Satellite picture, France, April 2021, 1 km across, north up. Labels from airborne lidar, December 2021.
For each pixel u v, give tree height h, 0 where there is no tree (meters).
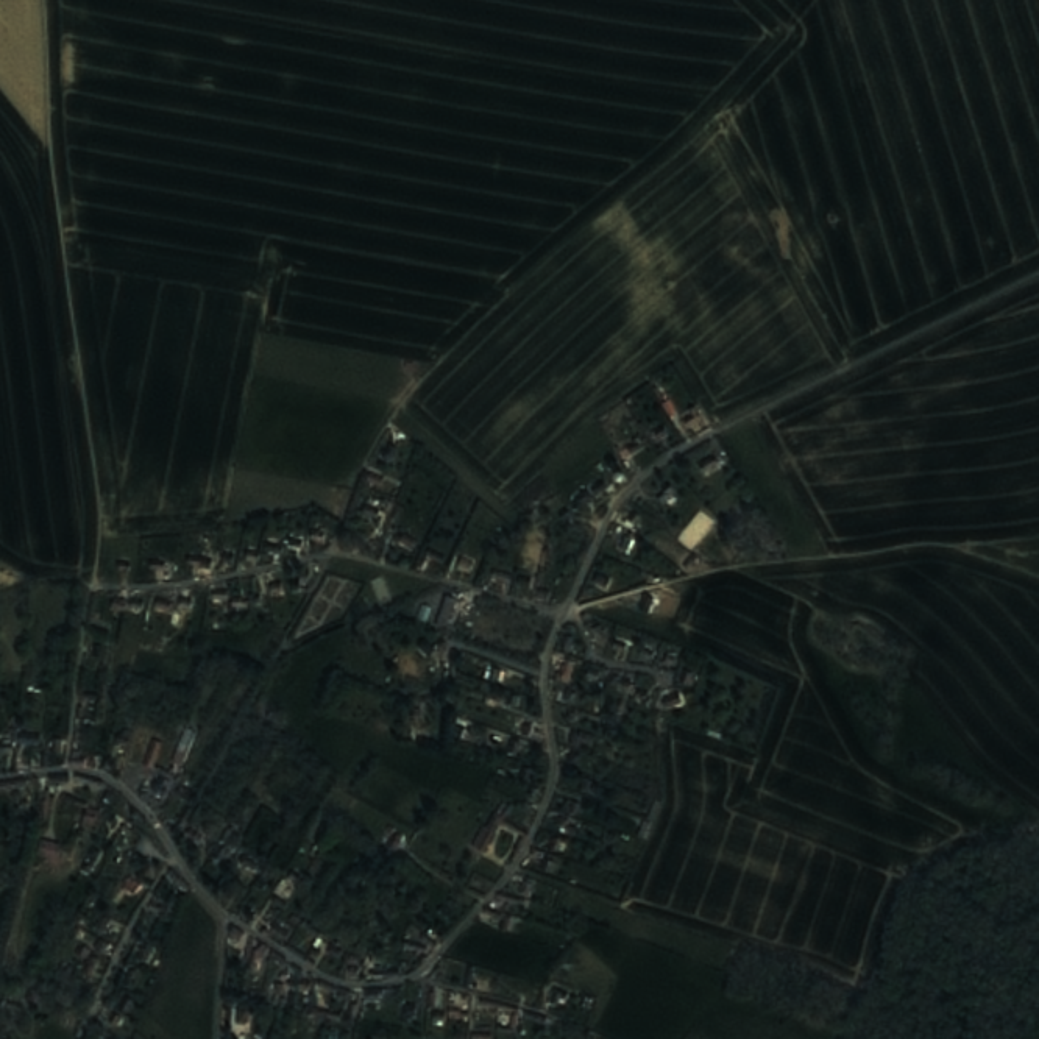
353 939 15
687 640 0
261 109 0
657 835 0
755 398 0
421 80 0
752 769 0
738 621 0
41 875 0
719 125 0
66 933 23
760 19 0
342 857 11
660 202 0
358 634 15
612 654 0
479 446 0
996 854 27
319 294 0
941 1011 20
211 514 0
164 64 0
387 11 0
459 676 6
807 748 0
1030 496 0
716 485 0
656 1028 0
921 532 0
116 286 0
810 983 12
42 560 0
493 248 0
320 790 14
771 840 0
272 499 0
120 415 0
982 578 0
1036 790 0
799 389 0
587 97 0
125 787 0
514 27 0
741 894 0
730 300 0
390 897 22
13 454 0
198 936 0
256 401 0
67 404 0
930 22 0
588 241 0
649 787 8
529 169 0
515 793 0
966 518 0
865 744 0
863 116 0
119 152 0
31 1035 12
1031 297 0
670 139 0
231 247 0
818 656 0
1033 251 0
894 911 19
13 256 0
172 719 11
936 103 0
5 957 21
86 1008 21
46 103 0
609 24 0
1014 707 0
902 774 0
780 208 0
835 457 0
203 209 0
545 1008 0
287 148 0
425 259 0
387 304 0
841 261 0
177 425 0
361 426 0
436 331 0
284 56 0
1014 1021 25
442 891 0
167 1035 0
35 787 9
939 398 0
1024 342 0
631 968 0
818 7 0
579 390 0
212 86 0
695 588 0
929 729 0
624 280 0
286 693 0
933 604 0
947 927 23
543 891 0
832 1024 17
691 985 0
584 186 0
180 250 0
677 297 0
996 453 0
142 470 0
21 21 0
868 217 0
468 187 0
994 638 0
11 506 0
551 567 0
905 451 0
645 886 0
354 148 0
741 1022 0
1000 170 0
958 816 0
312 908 14
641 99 0
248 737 10
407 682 8
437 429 0
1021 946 24
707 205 0
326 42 0
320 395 0
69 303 0
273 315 0
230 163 0
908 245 0
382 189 0
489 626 0
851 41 0
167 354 0
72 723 0
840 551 0
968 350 0
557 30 0
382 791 0
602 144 0
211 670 20
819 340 0
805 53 0
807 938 0
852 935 0
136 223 0
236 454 0
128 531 0
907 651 15
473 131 0
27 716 8
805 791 0
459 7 0
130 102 0
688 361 0
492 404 0
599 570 7
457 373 0
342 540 17
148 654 0
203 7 0
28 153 0
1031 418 0
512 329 0
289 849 0
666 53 0
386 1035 17
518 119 0
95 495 0
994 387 0
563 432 0
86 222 0
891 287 0
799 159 0
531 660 10
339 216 0
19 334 0
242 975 6
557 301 0
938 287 0
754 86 0
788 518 0
